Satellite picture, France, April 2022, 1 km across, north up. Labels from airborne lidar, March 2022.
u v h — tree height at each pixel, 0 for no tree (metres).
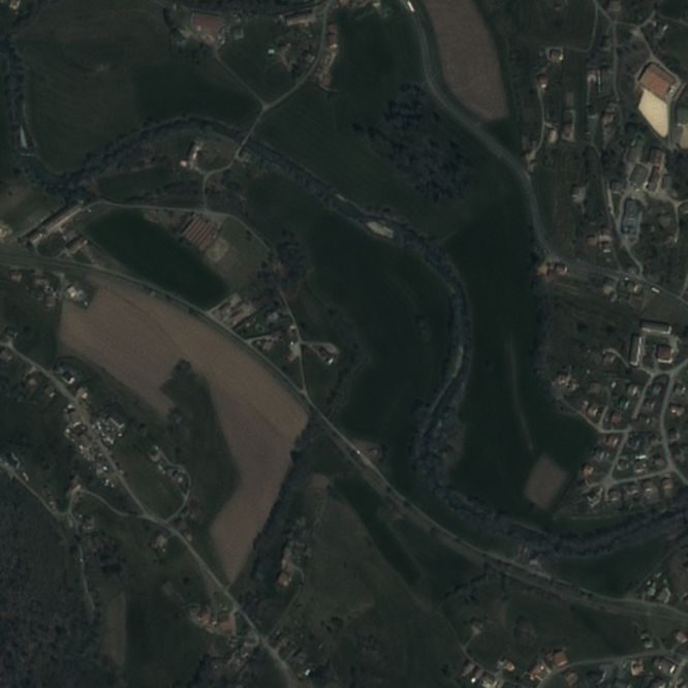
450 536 0
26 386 9
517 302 0
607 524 0
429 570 0
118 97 0
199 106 0
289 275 21
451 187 25
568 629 0
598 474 0
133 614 0
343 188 0
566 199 0
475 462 0
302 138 0
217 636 0
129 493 0
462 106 0
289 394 0
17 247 0
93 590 8
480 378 0
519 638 13
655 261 12
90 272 0
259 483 0
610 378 0
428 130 25
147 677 0
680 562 0
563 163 0
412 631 0
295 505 0
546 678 0
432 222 0
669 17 0
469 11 0
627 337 0
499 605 0
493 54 0
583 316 0
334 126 0
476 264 0
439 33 0
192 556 0
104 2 0
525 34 0
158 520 0
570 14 0
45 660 27
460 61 0
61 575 6
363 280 0
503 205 0
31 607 15
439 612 0
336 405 19
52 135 0
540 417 0
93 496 0
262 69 0
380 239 0
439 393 10
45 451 0
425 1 0
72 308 0
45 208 0
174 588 0
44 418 0
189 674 0
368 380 0
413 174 23
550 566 15
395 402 0
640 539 26
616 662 0
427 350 0
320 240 0
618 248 17
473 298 0
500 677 0
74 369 0
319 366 0
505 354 0
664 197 0
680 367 0
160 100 0
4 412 0
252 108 0
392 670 0
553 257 0
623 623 0
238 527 0
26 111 0
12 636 18
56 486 0
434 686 0
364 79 0
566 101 0
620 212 0
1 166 0
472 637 0
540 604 0
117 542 10
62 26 0
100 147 0
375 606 0
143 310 0
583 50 0
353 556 0
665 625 0
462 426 28
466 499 0
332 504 0
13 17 0
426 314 0
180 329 0
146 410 0
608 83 0
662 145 0
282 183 0
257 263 0
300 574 0
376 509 0
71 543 0
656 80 0
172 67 0
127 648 0
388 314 0
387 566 0
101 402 0
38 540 7
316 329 0
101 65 0
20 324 0
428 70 0
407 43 0
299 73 11
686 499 23
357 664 0
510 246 0
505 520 21
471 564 0
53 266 0
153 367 0
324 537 0
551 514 0
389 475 0
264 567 22
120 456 0
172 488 0
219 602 0
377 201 0
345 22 0
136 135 9
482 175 0
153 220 0
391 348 0
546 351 16
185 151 0
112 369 0
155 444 8
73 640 30
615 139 0
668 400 0
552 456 0
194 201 0
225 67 0
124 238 0
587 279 0
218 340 0
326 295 0
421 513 0
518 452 0
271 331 8
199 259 0
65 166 0
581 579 0
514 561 0
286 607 0
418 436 23
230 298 0
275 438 0
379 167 0
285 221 0
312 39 0
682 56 0
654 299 0
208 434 0
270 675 0
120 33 0
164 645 0
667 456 0
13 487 12
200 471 0
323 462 0
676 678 0
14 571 24
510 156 0
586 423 0
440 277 0
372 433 0
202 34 0
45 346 0
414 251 22
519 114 0
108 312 0
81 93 0
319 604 0
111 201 0
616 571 0
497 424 0
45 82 0
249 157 0
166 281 0
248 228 0
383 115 0
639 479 0
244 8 21
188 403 0
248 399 0
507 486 0
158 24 0
